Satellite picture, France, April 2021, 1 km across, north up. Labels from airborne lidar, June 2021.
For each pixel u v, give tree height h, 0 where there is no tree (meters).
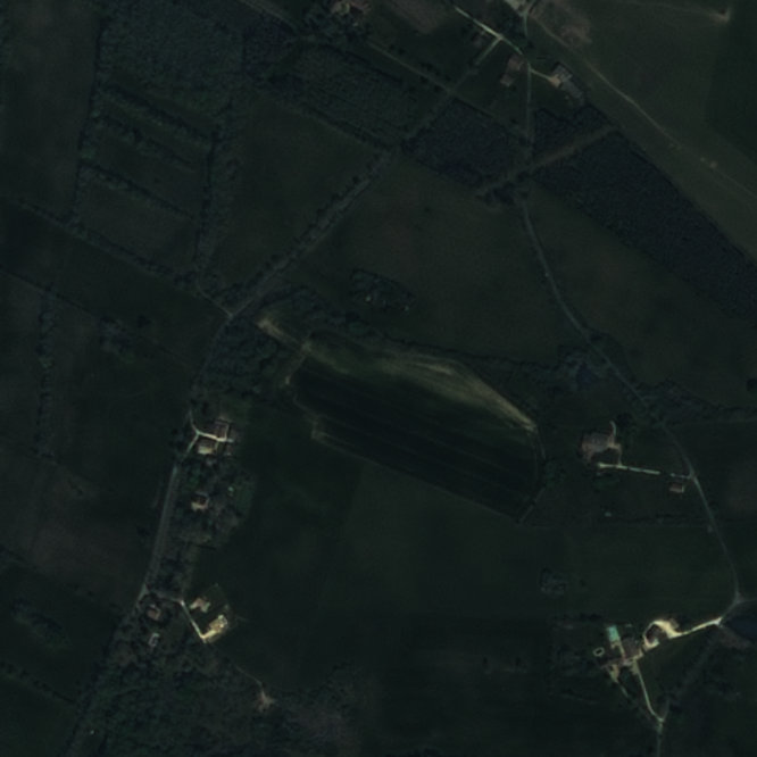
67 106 0
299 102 14
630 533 0
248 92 12
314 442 0
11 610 9
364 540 0
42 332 8
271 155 0
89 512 0
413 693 0
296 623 0
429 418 0
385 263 0
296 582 0
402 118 8
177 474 23
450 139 8
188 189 0
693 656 0
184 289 6
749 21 0
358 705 0
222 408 0
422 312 0
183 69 21
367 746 0
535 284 0
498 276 0
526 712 0
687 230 12
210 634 0
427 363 0
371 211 0
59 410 0
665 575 0
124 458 0
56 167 0
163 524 26
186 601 0
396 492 0
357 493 0
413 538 0
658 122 0
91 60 0
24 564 13
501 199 15
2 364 0
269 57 16
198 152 0
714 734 0
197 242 9
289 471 0
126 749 17
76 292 0
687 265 11
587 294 0
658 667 0
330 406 0
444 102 0
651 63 0
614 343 5
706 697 0
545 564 0
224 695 8
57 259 0
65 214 0
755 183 0
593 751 0
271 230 0
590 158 7
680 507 0
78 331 0
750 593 0
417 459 0
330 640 0
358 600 0
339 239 0
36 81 0
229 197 12
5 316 0
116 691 20
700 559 0
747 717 0
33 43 0
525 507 0
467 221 0
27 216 0
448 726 0
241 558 0
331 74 6
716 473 0
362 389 0
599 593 0
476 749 0
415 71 0
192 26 24
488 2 0
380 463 0
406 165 0
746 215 0
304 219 0
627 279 0
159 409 0
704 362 0
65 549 0
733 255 11
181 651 7
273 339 19
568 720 0
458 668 0
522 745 0
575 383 8
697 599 0
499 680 0
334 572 0
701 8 0
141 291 0
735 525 0
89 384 0
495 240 0
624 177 11
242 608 0
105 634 0
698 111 0
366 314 0
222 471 15
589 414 0
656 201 11
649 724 12
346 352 0
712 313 0
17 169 0
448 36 0
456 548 0
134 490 0
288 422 0
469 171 19
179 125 15
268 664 0
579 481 0
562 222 0
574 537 0
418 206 0
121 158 0
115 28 21
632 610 0
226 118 17
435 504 0
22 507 0
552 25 0
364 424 0
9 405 0
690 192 0
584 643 0
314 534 0
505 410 0
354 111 9
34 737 0
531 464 0
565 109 0
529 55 15
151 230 0
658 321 0
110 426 0
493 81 0
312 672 0
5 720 0
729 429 0
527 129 0
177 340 0
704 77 0
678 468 0
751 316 10
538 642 0
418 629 0
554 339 0
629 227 9
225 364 15
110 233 0
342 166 0
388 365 0
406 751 0
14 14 0
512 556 0
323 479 0
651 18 0
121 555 0
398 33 0
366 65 9
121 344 19
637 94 0
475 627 0
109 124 18
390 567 0
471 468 0
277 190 0
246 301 16
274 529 0
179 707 17
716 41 0
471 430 0
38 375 0
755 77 0
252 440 0
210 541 5
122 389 0
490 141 8
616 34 0
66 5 0
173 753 20
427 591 0
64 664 0
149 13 28
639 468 6
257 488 0
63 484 0
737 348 0
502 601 0
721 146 0
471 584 0
